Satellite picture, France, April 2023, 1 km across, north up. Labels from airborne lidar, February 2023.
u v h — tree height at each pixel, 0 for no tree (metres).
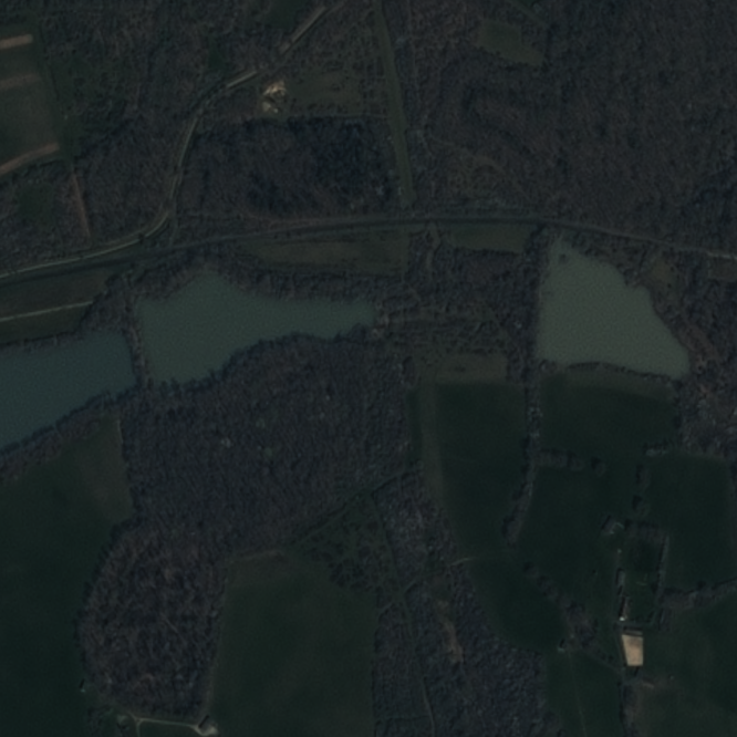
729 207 18
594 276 0
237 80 0
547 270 13
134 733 0
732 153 22
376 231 0
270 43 10
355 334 7
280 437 25
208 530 26
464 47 7
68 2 17
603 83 26
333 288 18
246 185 24
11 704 0
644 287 0
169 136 20
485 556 0
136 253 0
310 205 25
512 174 14
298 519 17
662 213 16
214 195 22
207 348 0
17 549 0
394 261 0
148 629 19
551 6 9
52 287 0
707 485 0
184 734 0
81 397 0
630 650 0
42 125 0
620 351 0
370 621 0
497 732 7
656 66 22
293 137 20
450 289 6
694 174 11
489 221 0
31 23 0
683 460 0
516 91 21
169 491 25
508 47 0
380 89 0
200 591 18
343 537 0
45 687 0
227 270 18
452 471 0
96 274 0
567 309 0
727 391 7
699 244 8
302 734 0
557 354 0
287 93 0
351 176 28
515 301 8
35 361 0
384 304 7
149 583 24
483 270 15
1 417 0
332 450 24
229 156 23
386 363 10
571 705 0
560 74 22
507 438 0
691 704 0
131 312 14
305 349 19
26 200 0
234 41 13
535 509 0
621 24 22
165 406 27
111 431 0
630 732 8
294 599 0
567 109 22
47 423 0
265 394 21
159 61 19
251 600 0
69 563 0
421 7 8
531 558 0
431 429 0
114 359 0
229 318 0
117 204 23
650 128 22
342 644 0
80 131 0
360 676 0
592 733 0
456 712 15
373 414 13
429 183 7
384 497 7
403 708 6
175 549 27
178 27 11
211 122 6
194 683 12
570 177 18
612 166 21
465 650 7
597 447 0
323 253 0
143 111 17
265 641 0
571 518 0
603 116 23
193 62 13
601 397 0
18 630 0
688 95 22
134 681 23
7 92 0
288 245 0
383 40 0
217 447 28
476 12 8
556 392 0
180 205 7
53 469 0
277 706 0
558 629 0
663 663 0
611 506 0
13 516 0
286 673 0
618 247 7
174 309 0
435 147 8
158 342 0
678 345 0
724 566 0
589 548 0
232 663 0
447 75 7
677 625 0
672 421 0
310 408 22
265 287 18
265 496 28
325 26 8
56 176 7
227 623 0
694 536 0
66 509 0
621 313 0
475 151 18
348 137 19
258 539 23
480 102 22
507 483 0
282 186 21
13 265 10
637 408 0
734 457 21
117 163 24
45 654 0
